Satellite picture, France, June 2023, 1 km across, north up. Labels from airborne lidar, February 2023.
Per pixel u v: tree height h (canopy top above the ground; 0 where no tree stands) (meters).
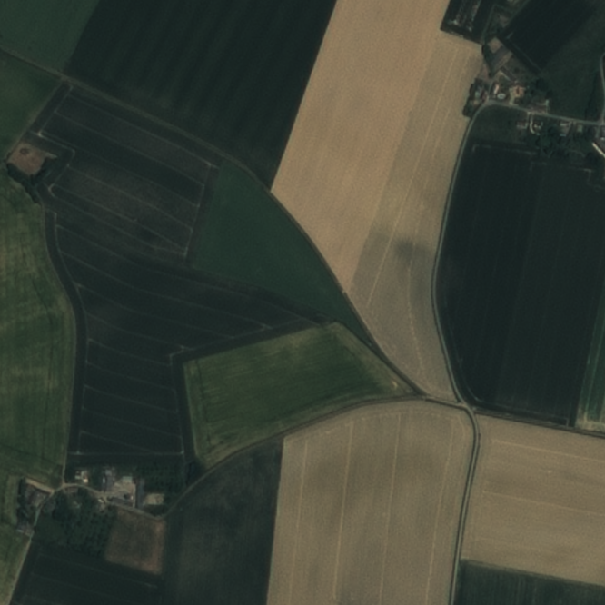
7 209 0
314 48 0
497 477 0
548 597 0
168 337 0
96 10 0
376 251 0
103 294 0
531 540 0
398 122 0
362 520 0
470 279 0
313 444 0
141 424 0
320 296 0
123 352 0
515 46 0
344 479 0
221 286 0
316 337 0
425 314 0
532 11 0
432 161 0
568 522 0
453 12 0
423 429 0
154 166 0
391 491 0
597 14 0
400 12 0
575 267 0
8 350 0
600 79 6
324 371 0
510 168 0
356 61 0
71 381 0
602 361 0
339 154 0
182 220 0
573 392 0
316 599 0
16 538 0
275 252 0
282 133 0
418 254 0
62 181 0
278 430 0
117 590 0
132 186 0
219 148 0
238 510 0
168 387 0
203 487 0
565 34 0
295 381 0
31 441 0
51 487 0
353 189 0
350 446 0
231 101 0
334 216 0
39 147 0
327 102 0
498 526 0
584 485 0
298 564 0
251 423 0
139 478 0
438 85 0
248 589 0
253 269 0
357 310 0
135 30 0
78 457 0
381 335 0
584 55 0
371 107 0
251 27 0
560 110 0
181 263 0
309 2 0
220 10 0
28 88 0
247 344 0
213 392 0
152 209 0
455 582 0
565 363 0
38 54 0
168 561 0
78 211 0
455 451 0
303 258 0
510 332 0
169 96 0
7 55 0
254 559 0
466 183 0
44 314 0
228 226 0
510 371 0
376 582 0
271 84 0
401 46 0
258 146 0
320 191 0
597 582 0
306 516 0
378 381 0
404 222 0
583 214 0
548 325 0
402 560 0
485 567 0
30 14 0
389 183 0
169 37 0
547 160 0
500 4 0
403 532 0
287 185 0
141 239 0
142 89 0
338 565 0
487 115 0
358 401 0
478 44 0
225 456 0
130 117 0
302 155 0
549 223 0
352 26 0
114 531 0
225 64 0
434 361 0
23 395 0
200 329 0
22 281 0
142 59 0
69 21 0
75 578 0
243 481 0
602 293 0
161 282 0
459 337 0
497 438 0
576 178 0
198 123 0
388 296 0
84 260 0
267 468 0
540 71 0
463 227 0
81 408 0
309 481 0
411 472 0
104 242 0
